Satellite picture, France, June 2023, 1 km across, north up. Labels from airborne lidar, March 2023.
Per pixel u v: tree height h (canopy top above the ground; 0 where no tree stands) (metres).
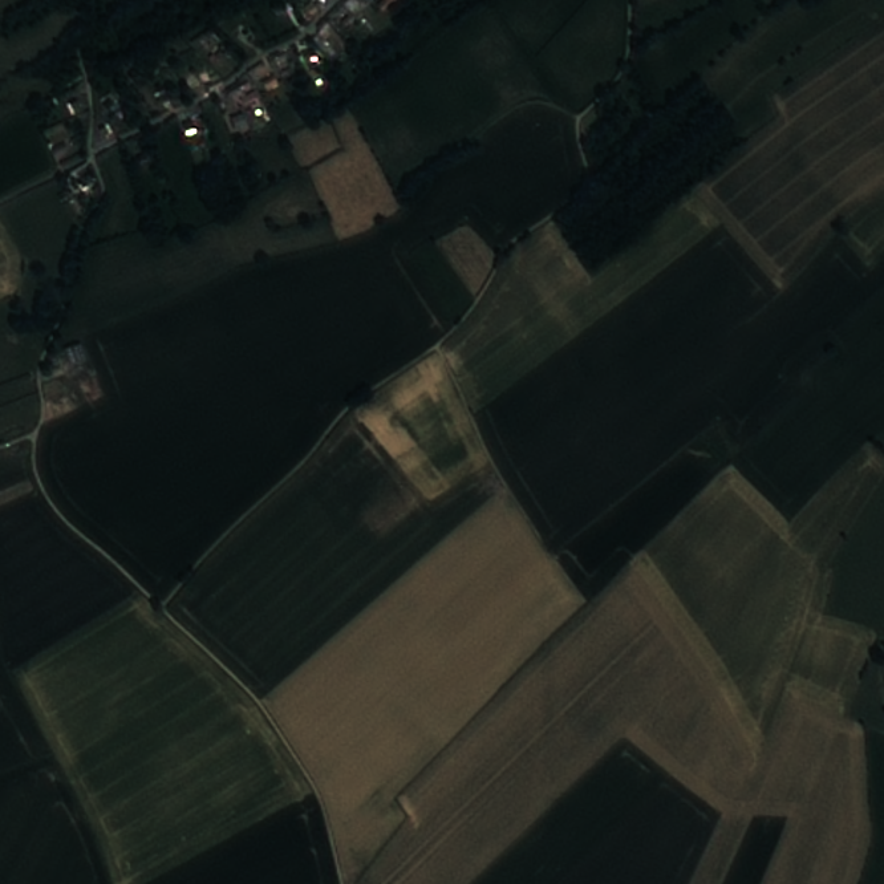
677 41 0
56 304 18
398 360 0
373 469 0
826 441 0
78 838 0
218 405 0
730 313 0
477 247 0
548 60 0
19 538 0
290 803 0
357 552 0
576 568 0
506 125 0
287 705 0
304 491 0
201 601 0
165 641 0
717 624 0
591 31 0
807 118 0
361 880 0
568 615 0
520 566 0
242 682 0
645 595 0
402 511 0
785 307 0
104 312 0
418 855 0
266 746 0
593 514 0
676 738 0
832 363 0
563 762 0
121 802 0
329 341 0
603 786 0
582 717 0
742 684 0
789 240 0
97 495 0
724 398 0
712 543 0
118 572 0
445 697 0
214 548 0
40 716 0
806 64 0
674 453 0
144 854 0
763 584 0
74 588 0
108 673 0
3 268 0
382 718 0
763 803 0
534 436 0
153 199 9
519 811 0
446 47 0
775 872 0
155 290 0
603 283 0
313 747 0
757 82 0
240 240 0
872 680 0
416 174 11
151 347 0
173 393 0
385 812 0
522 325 0
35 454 0
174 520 0
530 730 0
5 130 0
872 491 0
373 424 0
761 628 0
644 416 0
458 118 0
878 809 0
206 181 28
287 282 0
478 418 0
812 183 0
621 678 0
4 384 0
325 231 0
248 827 0
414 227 0
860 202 0
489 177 0
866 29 0
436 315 0
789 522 0
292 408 0
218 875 0
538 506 0
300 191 0
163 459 0
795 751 0
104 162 0
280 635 0
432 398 0
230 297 0
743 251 0
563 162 0
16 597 0
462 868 0
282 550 0
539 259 0
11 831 0
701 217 0
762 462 0
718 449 0
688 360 0
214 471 0
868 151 0
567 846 0
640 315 0
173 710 0
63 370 0
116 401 0
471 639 0
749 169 0
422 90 0
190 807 0
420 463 0
